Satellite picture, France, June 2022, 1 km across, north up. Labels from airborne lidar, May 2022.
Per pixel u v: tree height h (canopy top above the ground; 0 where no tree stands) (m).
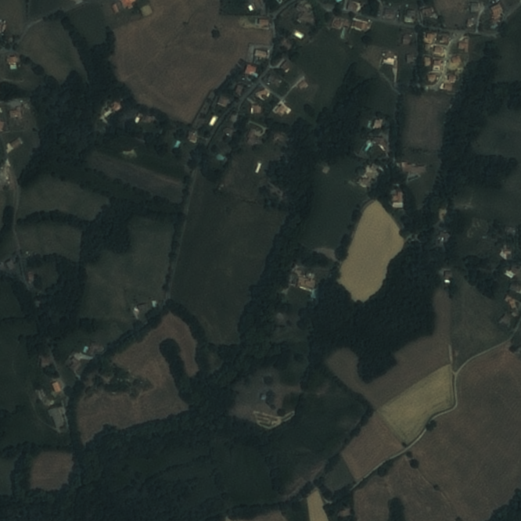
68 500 26
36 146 0
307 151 30
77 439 16
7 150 0
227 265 0
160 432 29
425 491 0
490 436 0
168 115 11
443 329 0
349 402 0
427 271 22
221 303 0
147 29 0
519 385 0
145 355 0
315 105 0
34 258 17
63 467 0
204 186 0
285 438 0
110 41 11
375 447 0
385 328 8
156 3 0
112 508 22
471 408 0
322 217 0
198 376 14
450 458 0
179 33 0
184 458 0
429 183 0
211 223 0
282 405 0
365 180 0
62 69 0
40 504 20
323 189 0
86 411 0
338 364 0
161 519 15
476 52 0
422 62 17
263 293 27
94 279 0
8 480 0
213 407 28
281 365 21
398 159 6
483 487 0
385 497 0
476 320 0
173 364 17
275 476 15
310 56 0
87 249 11
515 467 0
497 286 14
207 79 0
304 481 0
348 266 0
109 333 0
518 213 0
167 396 0
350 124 22
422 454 0
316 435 0
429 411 0
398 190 15
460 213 16
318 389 0
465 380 0
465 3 0
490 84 14
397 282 9
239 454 0
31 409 0
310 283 0
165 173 0
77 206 0
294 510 13
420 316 16
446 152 22
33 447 17
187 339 0
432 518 0
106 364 22
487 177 19
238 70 18
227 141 10
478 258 12
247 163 0
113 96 22
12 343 0
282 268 29
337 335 15
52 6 0
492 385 0
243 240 0
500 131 0
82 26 0
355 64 8
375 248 0
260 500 0
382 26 0
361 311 19
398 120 15
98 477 30
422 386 0
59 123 20
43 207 0
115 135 16
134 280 0
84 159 8
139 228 0
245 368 28
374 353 18
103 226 16
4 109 0
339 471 0
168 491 16
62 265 16
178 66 0
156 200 11
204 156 16
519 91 25
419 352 0
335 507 11
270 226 0
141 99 0
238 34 0
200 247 0
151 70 0
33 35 0
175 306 16
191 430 24
